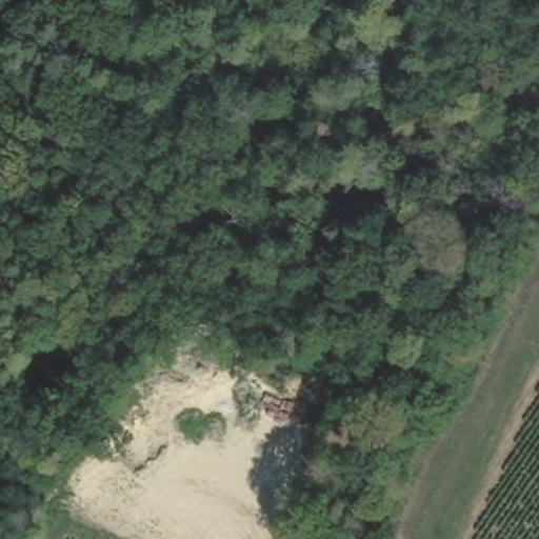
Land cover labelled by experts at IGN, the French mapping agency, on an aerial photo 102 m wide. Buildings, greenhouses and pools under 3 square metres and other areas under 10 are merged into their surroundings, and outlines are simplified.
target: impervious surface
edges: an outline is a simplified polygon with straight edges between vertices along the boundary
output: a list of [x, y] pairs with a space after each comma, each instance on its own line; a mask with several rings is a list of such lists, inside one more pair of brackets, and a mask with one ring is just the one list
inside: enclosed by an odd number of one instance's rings
[[234, 402], [240, 419], [248, 413], [248, 404], [261, 411], [270, 413], [274, 419], [286, 417], [291, 421], [291, 415], [293, 408], [282, 400], [288, 398], [286, 383], [278, 383], [274, 387], [272, 392], [244, 394]]

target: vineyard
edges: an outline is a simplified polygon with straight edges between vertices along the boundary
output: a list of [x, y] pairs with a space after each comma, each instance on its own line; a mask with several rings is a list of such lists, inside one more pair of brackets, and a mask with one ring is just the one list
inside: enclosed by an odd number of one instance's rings
[[472, 507], [463, 520], [463, 531], [457, 539], [539, 539], [539, 360], [531, 371], [528, 379], [524, 381], [522, 394], [514, 404], [512, 419], [503, 430], [501, 442], [491, 459], [488, 472], [472, 501]]

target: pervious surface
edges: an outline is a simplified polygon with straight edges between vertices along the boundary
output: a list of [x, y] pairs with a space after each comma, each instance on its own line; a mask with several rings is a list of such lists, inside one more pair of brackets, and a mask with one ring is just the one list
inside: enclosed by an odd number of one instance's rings
[[[215, 371], [198, 371], [187, 383], [160, 381], [154, 387], [152, 396], [141, 400], [143, 408], [147, 411], [147, 419], [135, 419], [131, 432], [133, 440], [128, 442], [126, 451], [137, 461], [135, 470], [124, 467], [120, 461], [107, 461], [88, 457], [72, 474], [69, 488], [74, 491], [74, 501], [82, 507], [82, 520], [124, 539], [272, 539], [270, 528], [265, 526], [265, 518], [276, 507], [274, 491], [278, 491], [291, 480], [295, 465], [301, 459], [310, 457], [310, 448], [303, 444], [303, 430], [307, 425], [291, 415], [291, 421], [286, 417], [274, 419], [270, 413], [261, 411], [261, 417], [253, 430], [240, 427], [240, 419], [234, 402], [234, 379], [227, 371], [221, 371], [219, 366]], [[185, 408], [200, 408], [202, 413], [221, 413], [227, 425], [223, 442], [213, 442], [208, 438], [202, 438], [200, 442], [187, 440], [183, 432], [177, 427], [177, 415]]]

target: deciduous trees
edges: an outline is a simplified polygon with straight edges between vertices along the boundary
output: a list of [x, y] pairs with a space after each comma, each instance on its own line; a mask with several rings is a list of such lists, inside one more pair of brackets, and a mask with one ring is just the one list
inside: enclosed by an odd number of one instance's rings
[[[488, 341], [503, 328], [512, 312], [512, 295], [516, 284], [524, 282], [526, 274], [535, 267], [539, 257], [539, 0], [413, 0], [406, 13], [398, 17], [402, 32], [396, 36], [396, 46], [379, 53], [371, 51], [364, 42], [358, 42], [356, 46], [350, 46], [345, 51], [337, 48], [339, 38], [347, 38], [354, 34], [354, 25], [347, 21], [339, 21], [339, 17], [343, 17], [347, 11], [358, 17], [364, 15], [371, 0], [0, 0], [0, 539], [46, 539], [44, 520], [48, 518], [51, 507], [44, 499], [46, 491], [57, 484], [59, 474], [63, 470], [69, 470], [72, 474], [88, 457], [107, 461], [112, 455], [126, 451], [128, 442], [133, 440], [131, 432], [126, 432], [120, 423], [126, 419], [128, 406], [139, 402], [139, 396], [133, 392], [133, 387], [143, 383], [156, 366], [171, 368], [177, 356], [194, 356], [208, 358], [219, 366], [221, 371], [227, 371], [234, 379], [244, 381], [248, 373], [257, 373], [274, 387], [278, 383], [286, 383], [293, 377], [301, 379], [293, 408], [291, 415], [307, 425], [303, 430], [303, 444], [310, 448], [310, 457], [301, 459], [295, 465], [291, 480], [278, 491], [274, 491], [276, 507], [265, 518], [265, 526], [270, 528], [272, 539], [394, 539], [392, 522], [402, 512], [402, 507], [398, 505], [413, 478], [413, 472], [408, 472], [411, 457], [415, 453], [423, 453], [430, 440], [446, 432], [459, 415], [463, 415], [465, 406], [461, 400], [470, 394], [470, 387], [480, 371], [484, 341]], [[278, 57], [267, 59], [261, 67], [246, 65], [244, 61], [248, 59], [248, 53], [253, 53], [253, 48], [265, 38], [278, 38], [282, 23], [305, 27], [312, 38], [326, 38], [328, 53], [320, 55], [318, 59], [310, 59], [307, 67], [297, 63], [282, 65]], [[316, 84], [322, 78], [347, 82], [350, 78], [360, 80], [362, 76], [366, 76], [364, 69], [354, 65], [360, 57], [375, 59], [379, 65], [381, 107], [373, 109], [350, 105], [337, 112], [318, 107], [312, 95], [316, 93]], [[425, 61], [427, 74], [402, 69], [400, 61], [406, 57]], [[442, 202], [446, 196], [446, 187], [442, 181], [438, 181], [440, 166], [436, 158], [419, 154], [417, 149], [417, 141], [432, 139], [432, 128], [448, 126], [442, 118], [444, 112], [455, 109], [461, 97], [474, 93], [480, 95], [480, 114], [472, 118], [467, 124], [478, 135], [486, 137], [491, 145], [488, 149], [480, 152], [474, 166], [461, 166], [459, 171], [467, 175], [467, 179], [474, 175], [484, 175], [486, 179], [510, 177], [507, 192], [522, 200], [522, 206], [518, 208], [501, 204], [491, 194], [482, 194], [482, 202], [478, 202], [470, 194], [461, 194], [453, 204]], [[362, 189], [350, 185], [335, 185], [328, 194], [320, 189], [322, 181], [331, 177], [333, 164], [343, 162], [341, 149], [347, 145], [360, 147], [364, 152], [364, 160], [377, 162], [377, 168], [383, 177], [381, 187]], [[404, 284], [385, 278], [390, 265], [406, 263], [408, 255], [417, 248], [415, 234], [406, 234], [406, 229], [398, 221], [402, 202], [417, 204], [419, 211], [423, 211], [425, 215], [455, 215], [463, 232], [465, 244], [461, 274], [442, 274], [436, 270], [417, 267]]]

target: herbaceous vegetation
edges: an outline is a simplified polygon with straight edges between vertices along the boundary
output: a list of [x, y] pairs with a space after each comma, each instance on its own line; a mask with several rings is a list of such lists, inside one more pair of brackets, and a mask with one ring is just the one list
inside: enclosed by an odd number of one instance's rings
[[257, 373], [248, 373], [244, 381], [234, 379], [234, 402], [244, 394], [272, 392], [274, 387]]
[[488, 341], [484, 341], [480, 371], [470, 387], [470, 394], [461, 400], [465, 406], [463, 415], [459, 415], [446, 432], [430, 440], [423, 453], [415, 453], [411, 457], [408, 472], [413, 472], [413, 478], [398, 505], [402, 507], [402, 512], [392, 522], [394, 539], [457, 539], [463, 531], [463, 520], [472, 507], [472, 501], [488, 472], [491, 459], [501, 442], [503, 430], [512, 419], [514, 404], [522, 394], [524, 381], [528, 379], [531, 371], [539, 360], [539, 257], [535, 267], [526, 274], [524, 282], [516, 284], [512, 295], [512, 312], [503, 328]]
[[200, 442], [202, 438], [208, 438], [213, 442], [223, 442], [227, 425], [221, 413], [202, 413], [200, 408], [185, 408], [177, 415], [177, 427], [183, 432], [187, 440]]
[[293, 377], [286, 383], [288, 398], [282, 400], [293, 408], [301, 379]]
[[135, 470], [137, 461], [126, 451], [112, 455], [107, 461], [120, 461], [124, 467]]
[[82, 507], [74, 501], [74, 491], [69, 488], [72, 474], [69, 470], [63, 470], [59, 474], [57, 484], [46, 491], [44, 499], [51, 507], [48, 518], [44, 520], [46, 539], [124, 539], [82, 520]]
[[147, 411], [143, 408], [141, 400], [152, 396], [154, 387], [160, 381], [187, 383], [198, 371], [215, 371], [219, 366], [208, 358], [194, 356], [177, 356], [171, 368], [156, 366], [143, 383], [133, 387], [133, 392], [139, 396], [139, 402], [128, 406], [126, 419], [120, 423], [126, 432], [131, 432], [135, 419], [147, 419]]
[[240, 419], [240, 427], [253, 430], [261, 417], [261, 411], [248, 404], [248, 413]]

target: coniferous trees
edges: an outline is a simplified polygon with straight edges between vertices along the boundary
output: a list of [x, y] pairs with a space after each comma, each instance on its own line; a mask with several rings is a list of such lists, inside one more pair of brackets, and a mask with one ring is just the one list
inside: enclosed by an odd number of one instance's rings
[[379, 53], [396, 46], [396, 36], [402, 32], [398, 17], [406, 13], [413, 0], [371, 0], [364, 15], [358, 17], [347, 11], [343, 17], [339, 17], [339, 21], [347, 21], [354, 25], [354, 34], [347, 38], [339, 38], [337, 48], [345, 51], [350, 46], [356, 46], [358, 42], [364, 42], [371, 51]]
[[261, 67], [267, 59], [278, 57], [282, 65], [297, 63], [307, 67], [310, 59], [318, 59], [320, 55], [328, 53], [326, 38], [312, 38], [305, 27], [282, 23], [278, 38], [265, 38], [253, 48], [253, 53], [248, 53], [248, 59], [244, 61], [246, 65]]
[[419, 211], [417, 204], [402, 202], [398, 221], [406, 229], [406, 234], [415, 234], [417, 248], [408, 255], [406, 263], [390, 265], [385, 278], [404, 284], [417, 267], [436, 270], [442, 274], [461, 274], [465, 244], [463, 232], [455, 215], [425, 215], [423, 211]]
[[316, 84], [316, 93], [312, 95], [318, 107], [337, 112], [350, 105], [373, 109], [381, 107], [379, 65], [375, 59], [360, 57], [354, 65], [364, 69], [366, 76], [362, 76], [360, 80], [350, 78], [347, 82], [322, 78]]
[[331, 177], [322, 181], [320, 189], [328, 194], [335, 185], [350, 185], [362, 189], [381, 187], [383, 177], [377, 168], [377, 162], [364, 160], [364, 152], [360, 147], [347, 145], [341, 149], [343, 162], [333, 164]]
[[406, 57], [400, 61], [402, 69], [427, 74], [425, 61]]
[[478, 135], [467, 124], [472, 118], [480, 114], [480, 95], [474, 93], [461, 97], [455, 109], [444, 112], [442, 118], [448, 126], [432, 128], [432, 139], [417, 141], [417, 149], [419, 154], [436, 158], [440, 166], [438, 181], [442, 181], [446, 187], [446, 196], [442, 202], [453, 204], [461, 194], [470, 194], [478, 202], [482, 202], [482, 194], [491, 194], [501, 204], [518, 208], [522, 206], [522, 200], [507, 192], [510, 177], [486, 179], [484, 175], [474, 175], [467, 179], [467, 175], [459, 171], [461, 166], [474, 166], [480, 152], [488, 149], [491, 145], [486, 137]]

